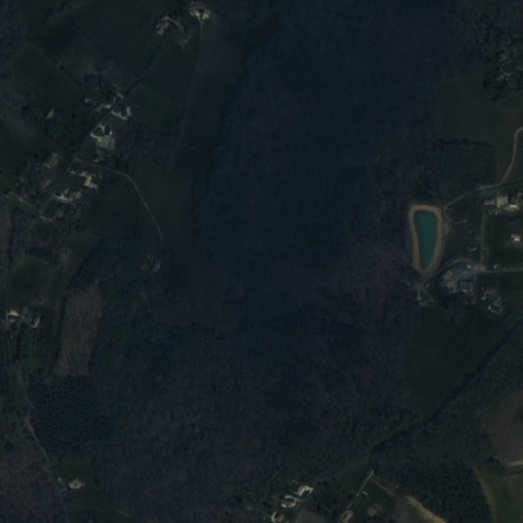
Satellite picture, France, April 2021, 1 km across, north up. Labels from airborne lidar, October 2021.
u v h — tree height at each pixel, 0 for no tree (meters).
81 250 0
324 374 19
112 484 11
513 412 0
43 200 8
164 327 11
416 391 0
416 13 25
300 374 18
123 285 24
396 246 22
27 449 12
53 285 0
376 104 23
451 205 0
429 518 0
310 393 24
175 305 7
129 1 0
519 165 0
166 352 18
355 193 16
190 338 15
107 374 18
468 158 22
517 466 0
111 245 17
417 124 17
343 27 25
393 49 15
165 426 18
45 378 18
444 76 14
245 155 21
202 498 16
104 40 0
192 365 20
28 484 11
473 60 18
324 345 18
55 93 0
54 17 19
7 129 0
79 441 18
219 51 0
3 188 0
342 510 6
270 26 0
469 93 0
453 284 0
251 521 16
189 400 15
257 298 16
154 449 17
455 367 0
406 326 16
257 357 22
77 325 18
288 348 18
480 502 23
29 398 17
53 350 0
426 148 23
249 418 21
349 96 12
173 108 0
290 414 24
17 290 0
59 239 19
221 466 21
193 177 0
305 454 20
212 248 20
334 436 18
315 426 20
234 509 21
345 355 21
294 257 14
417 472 23
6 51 21
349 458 14
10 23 22
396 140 18
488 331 0
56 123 11
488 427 0
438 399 0
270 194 19
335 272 17
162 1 0
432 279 0
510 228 0
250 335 16
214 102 0
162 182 0
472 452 23
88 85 17
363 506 0
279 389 20
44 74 0
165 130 0
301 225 15
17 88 0
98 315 23
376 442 16
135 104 0
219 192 20
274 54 11
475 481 15
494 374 24
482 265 0
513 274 0
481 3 0
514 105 0
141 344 17
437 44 11
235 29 7
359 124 26
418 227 0
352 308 10
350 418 21
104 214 0
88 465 0
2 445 16
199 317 0
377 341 22
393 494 0
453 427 19
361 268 0
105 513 0
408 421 20
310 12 20
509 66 12
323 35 18
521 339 22
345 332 23
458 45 11
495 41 9
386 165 19
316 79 26
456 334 0
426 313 0
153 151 12
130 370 18
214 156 22
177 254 0
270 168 17
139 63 0
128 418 19
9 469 11
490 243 0
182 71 0
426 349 0
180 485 14
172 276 0
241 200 17
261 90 14
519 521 0
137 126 9
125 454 20
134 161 12
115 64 7
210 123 0
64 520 10
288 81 28
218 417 17
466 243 0
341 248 21
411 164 15
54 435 18
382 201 19
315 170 23
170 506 15
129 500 14
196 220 13
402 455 24
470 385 23
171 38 11
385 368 16
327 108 21
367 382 17
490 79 7
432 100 16
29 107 8
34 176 15
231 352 16
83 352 19
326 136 20
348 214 0
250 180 23
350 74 15
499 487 0
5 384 16
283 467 22
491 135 0
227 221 20
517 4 19
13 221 17
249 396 20
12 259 18
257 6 18
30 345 14
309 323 15
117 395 18
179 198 0
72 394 18
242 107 20
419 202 0
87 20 0
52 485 8
